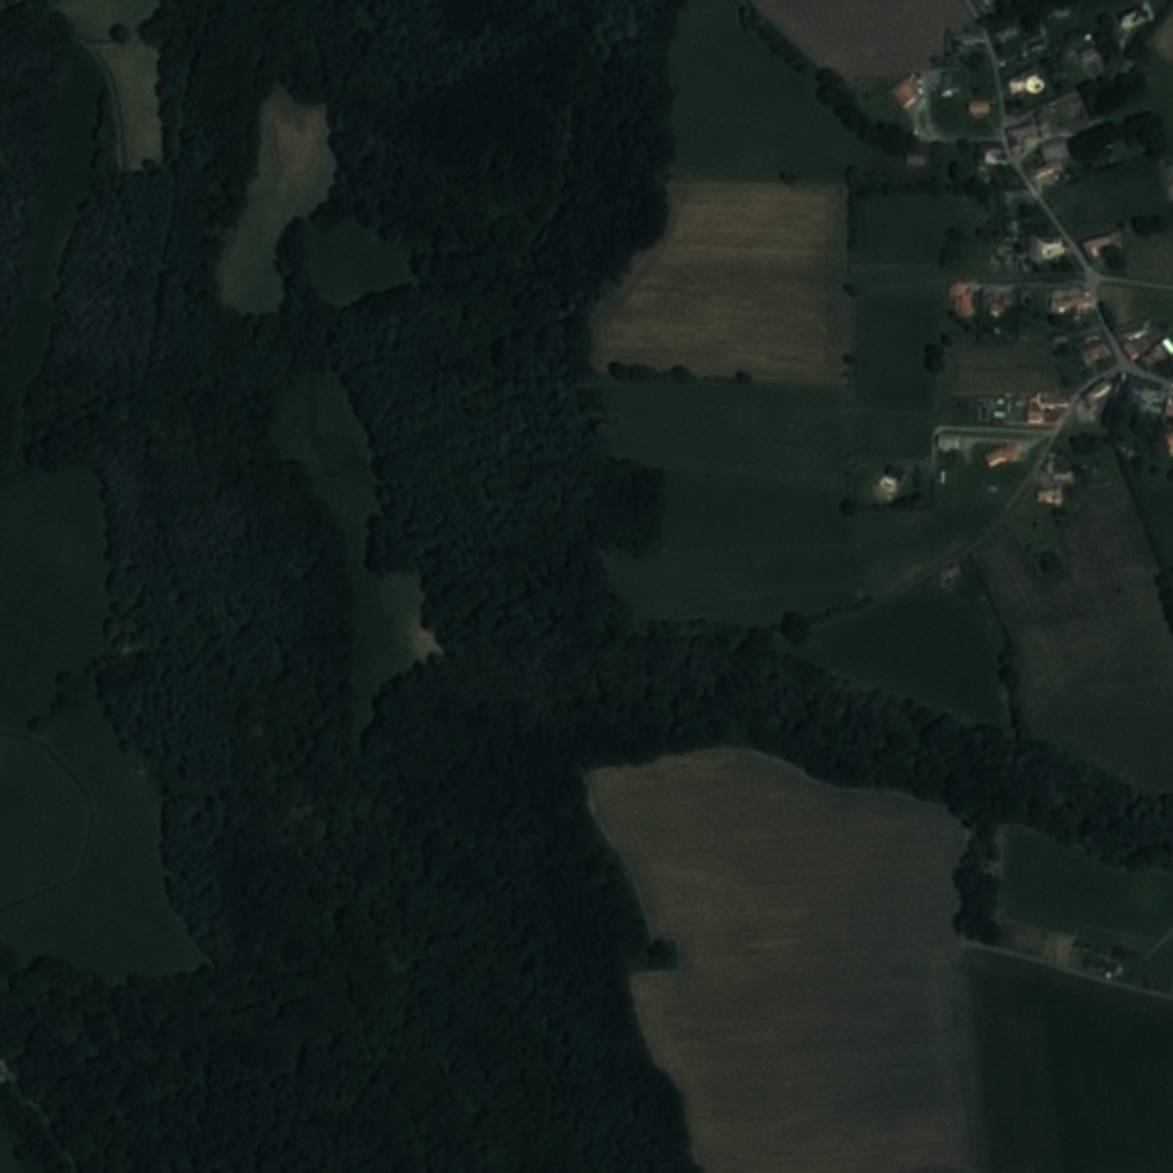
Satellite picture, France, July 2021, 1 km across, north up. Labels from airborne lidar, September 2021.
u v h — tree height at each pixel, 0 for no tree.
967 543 0
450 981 21
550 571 22
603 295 24
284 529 22
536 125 35
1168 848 17
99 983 23
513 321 12
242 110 22
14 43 21
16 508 0
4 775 0
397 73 26
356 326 29
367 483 0
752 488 0
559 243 20
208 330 26
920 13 0
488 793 24
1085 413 0
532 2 28
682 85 0
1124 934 0
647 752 24
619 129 6
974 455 0
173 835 21
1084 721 0
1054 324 17
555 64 35
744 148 0
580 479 23
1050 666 0
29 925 0
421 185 24
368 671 0
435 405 26
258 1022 27
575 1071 20
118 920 0
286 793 23
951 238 9
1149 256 0
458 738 24
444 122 33
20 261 18
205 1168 22
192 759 26
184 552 23
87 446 20
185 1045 25
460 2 35
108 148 16
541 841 28
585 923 23
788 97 0
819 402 0
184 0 21
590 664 22
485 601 21
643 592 0
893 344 0
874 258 0
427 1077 28
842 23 0
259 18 23
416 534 35
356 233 0
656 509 26
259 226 0
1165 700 0
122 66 0
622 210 23
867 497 0
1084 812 20
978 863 17
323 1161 19
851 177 11
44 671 0
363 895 24
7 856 0
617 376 18
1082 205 0
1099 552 0
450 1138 24
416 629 0
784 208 0
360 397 23
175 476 19
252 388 23
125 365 16
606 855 7
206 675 21
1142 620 0
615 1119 27
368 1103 24
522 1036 20
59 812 0
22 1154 11
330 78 29
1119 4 0
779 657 17
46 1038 21
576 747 26
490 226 29
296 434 0
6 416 13
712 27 0
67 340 15
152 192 25
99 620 0
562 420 33
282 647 27
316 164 0
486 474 26
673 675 21
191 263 25
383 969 24
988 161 0
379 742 26
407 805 21
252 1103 22
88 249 18
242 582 27
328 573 24
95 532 0
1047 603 0
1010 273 0
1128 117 0
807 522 0
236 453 23
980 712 0
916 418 0
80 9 0
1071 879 0
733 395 0
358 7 33
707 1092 0
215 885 27
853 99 15
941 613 0
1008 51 19
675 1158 26
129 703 27
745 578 0
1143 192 0
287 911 26
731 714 17
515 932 29
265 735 23
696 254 0
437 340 26
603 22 27
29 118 13
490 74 28
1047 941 0
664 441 0
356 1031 23
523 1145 21
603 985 25
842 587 0
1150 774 0
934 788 27
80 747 0
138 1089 24
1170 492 0
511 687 19
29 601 0
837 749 22
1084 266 0
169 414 20
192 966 0
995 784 26
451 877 26
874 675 0
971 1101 0
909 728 19
